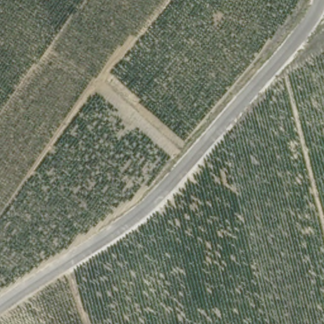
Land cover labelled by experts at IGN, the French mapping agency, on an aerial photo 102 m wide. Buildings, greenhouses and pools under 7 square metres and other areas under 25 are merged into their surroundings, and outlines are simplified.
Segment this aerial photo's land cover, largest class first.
<instances>
[{"label":"vineyard","instance_id":"1","mask_svg":"<svg viewBox=\"0 0 324 324\"><path fill-rule=\"evenodd\" d=\"M310 0H0V304L44 273L61 265L68 257L75 256L78 251L91 246L96 235L111 230L110 224L113 225L124 218L137 208L140 202L146 200L151 194L152 187L156 189L159 182L167 177L168 172L189 154L191 144L199 143L200 135L208 139L209 134L215 129L213 124L237 99L244 90L243 86L265 67L263 63L271 58L273 52L280 51L281 43L289 37L290 30L304 18ZM308 44L301 42L275 75L259 89L262 95L258 96L257 103L252 105L251 113L244 115L234 127L228 124L229 132L225 135L219 134L211 142L195 165L167 195L162 197L158 205L103 247L76 261L75 265L67 270L59 272L62 278L40 291V295L30 297L28 302L16 306L10 311L9 318H0V324H324V14L318 15L314 27L310 29Z\"/></svg>","mask_w":324,"mask_h":324},{"label":"impervious surface","instance_id":"2","mask_svg":"<svg viewBox=\"0 0 324 324\"><path fill-rule=\"evenodd\" d=\"M324 14V0H310L304 18L290 30L289 37L281 43L280 51L273 52L271 58L263 63L265 67L243 86L244 90L237 99L213 124L215 129L209 134L208 139L200 135L199 143L191 144L189 154L168 172L167 177L159 182L156 189L152 187L151 194L146 200L140 202L137 208L124 218L113 225L110 224L111 230L96 235L91 246L78 251L75 256L68 257L61 265L44 273L0 304V318H9L10 311L16 306L28 302L30 297L40 295V291L62 278L59 272L67 270L75 265L76 261L103 247L158 205L162 197L167 195L195 165L211 142L219 134L225 135L229 132L228 124L234 127L244 115L251 113L252 105L257 103L258 96L262 95L259 89L275 75L301 42L308 44L310 29L314 27L318 15Z\"/></svg>","mask_w":324,"mask_h":324}]
</instances>
